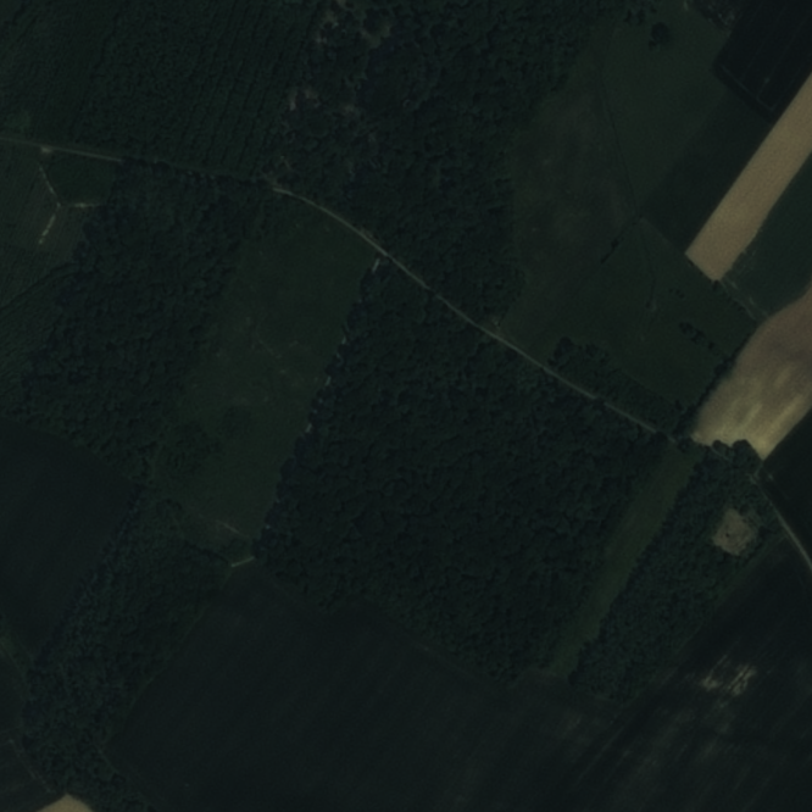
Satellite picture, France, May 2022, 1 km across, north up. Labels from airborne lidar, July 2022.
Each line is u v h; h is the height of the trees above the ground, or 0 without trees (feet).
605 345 0
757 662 0
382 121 88
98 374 78
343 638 0
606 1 83
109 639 95
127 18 51
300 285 0
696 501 82
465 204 84
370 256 0
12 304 19
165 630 91
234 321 0
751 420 0
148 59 54
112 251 77
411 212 75
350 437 80
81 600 52
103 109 50
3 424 0
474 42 91
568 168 0
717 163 0
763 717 0
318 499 99
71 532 0
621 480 96
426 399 73
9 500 0
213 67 54
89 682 100
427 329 70
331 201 63
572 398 28
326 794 0
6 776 0
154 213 88
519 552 103
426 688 0
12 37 19
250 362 0
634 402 29
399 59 102
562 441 91
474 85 107
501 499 104
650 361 0
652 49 39
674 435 28
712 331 0
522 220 0
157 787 0
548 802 0
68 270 33
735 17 0
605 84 0
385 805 0
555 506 94
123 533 35
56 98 28
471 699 0
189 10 48
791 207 0
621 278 0
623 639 61
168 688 0
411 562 94
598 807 0
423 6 80
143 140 47
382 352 75
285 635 0
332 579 78
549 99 52
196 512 0
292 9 63
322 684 0
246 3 45
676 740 0
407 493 89
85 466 0
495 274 85
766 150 0
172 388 91
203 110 48
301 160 79
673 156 0
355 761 0
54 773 60
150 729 0
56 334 21
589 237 0
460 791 0
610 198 0
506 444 70
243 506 0
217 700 0
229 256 79
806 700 0
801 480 0
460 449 97
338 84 86
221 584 62
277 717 0
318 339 0
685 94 0
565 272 0
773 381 0
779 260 0
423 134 90
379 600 71
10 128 32
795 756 0
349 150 78
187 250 81
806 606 0
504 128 82
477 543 97
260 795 0
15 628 0
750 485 46
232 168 56
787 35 0
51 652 61
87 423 83
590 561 75
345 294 0
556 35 102
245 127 55
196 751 0
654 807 0
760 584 0
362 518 93
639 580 71
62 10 17
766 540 60
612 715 0
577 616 76
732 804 0
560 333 0
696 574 60
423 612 81
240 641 0
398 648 0
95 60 26
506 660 73
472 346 73
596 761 0
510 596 98
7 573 0
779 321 0
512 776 0
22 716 0
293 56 50
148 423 79
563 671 0
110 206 25
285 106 44
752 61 0
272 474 0
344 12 62
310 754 0
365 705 0
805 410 0
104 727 103
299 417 0
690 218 0
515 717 0
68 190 19
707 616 50
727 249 0
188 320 77
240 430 26
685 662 0
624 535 0
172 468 29
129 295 94
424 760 0
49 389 91
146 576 77
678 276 0
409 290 84
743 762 0
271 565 76
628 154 0
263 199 48
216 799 0
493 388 79
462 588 91
